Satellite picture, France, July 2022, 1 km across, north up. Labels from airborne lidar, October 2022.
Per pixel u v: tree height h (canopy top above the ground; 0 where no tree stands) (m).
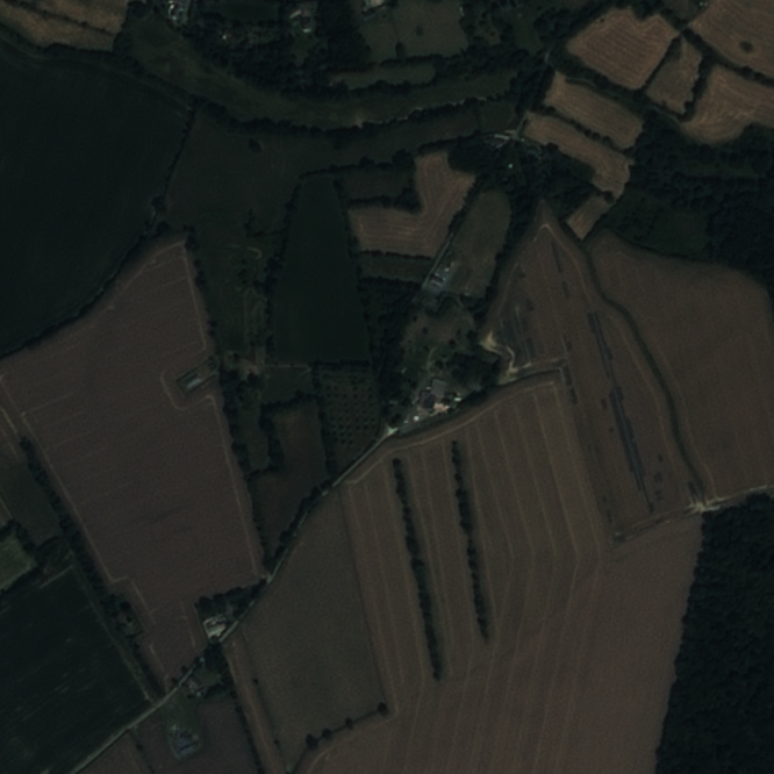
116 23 0
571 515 0
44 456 0
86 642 0
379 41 0
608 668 0
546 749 0
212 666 19
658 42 0
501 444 0
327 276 0
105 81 0
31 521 0
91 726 0
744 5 0
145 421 0
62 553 0
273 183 0
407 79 0
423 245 0
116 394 0
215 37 21
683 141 7
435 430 0
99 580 14
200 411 0
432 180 0
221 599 10
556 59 11
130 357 0
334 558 0
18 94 0
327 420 15
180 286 0
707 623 18
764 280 6
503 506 0
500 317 0
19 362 0
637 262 0
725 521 10
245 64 14
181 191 0
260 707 0
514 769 0
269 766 0
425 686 0
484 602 13
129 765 0
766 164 28
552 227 0
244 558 0
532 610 0
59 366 0
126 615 9
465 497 13
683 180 14
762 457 0
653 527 0
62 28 0
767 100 0
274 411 14
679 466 0
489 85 0
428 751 0
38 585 0
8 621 0
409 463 0
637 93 11
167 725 0
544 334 0
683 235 0
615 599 0
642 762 0
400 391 6
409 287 13
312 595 0
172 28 10
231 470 0
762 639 25
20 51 0
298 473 0
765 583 22
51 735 0
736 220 17
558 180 18
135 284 0
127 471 0
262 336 0
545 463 0
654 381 0
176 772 0
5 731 0
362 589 0
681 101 0
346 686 0
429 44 0
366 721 0
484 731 0
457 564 0
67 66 0
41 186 0
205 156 0
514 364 0
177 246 0
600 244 0
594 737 0
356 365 12
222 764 0
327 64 10
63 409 0
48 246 0
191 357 0
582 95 0
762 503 19
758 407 0
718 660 23
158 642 0
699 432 0
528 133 0
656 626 0
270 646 0
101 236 0
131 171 0
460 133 0
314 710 0
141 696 0
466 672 0
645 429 0
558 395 0
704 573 19
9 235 0
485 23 6
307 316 0
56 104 0
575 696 0
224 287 0
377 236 0
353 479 0
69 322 10
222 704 0
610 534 0
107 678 0
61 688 0
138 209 0
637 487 0
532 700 0
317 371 12
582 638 0
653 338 0
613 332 0
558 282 0
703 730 20
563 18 14
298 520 10
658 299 0
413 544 19
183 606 0
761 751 25
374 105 0
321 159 0
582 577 0
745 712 24
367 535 0
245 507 0
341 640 0
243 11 0
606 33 0
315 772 0
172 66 0
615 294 0
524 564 0
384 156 0
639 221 7
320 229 0
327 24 15
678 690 17
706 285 0
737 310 0
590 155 0
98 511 0
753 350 0
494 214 0
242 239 0
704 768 20
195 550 0
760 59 0
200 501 0
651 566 0
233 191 0
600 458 0
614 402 0
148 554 0
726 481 0
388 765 0
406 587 0
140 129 0
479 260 0
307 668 0
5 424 0
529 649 0
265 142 0
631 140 0
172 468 0
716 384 0
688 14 0
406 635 0
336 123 0
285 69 15
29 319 0
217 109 17
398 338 13
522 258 0
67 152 0
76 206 0
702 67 10
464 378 18
